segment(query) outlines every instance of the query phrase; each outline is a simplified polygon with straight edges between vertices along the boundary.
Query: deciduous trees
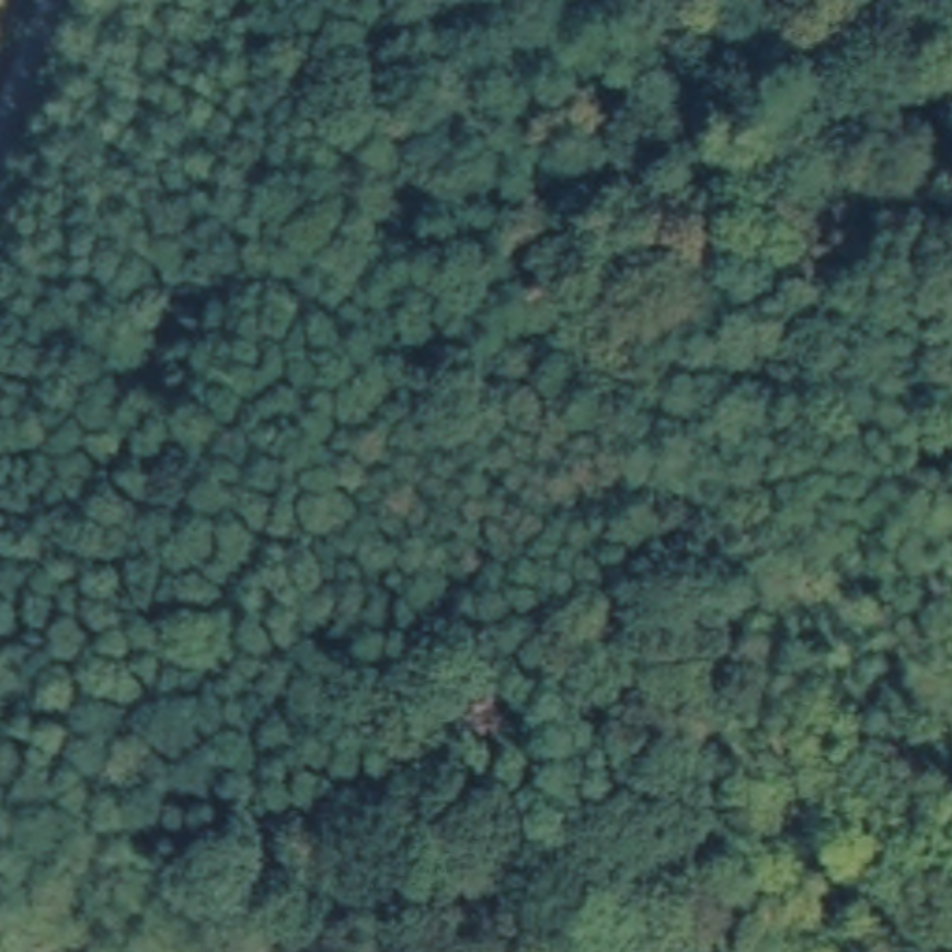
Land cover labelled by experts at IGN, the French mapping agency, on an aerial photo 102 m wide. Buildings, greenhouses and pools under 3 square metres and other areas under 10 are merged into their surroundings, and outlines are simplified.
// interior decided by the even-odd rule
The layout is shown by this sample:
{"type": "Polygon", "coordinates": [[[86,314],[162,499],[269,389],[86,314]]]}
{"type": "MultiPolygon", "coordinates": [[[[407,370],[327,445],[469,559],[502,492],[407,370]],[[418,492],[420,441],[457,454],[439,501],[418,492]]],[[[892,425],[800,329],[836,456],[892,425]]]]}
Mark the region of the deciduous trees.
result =
{"type": "Polygon", "coordinates": [[[952,952],[952,0],[78,0],[71,7],[67,26],[60,30],[60,48],[45,60],[45,67],[37,67],[37,89],[48,100],[48,108],[30,119],[30,134],[7,156],[7,167],[0,175],[0,907],[41,907],[45,919],[60,926],[60,933],[93,930],[108,952],[952,952]]]}

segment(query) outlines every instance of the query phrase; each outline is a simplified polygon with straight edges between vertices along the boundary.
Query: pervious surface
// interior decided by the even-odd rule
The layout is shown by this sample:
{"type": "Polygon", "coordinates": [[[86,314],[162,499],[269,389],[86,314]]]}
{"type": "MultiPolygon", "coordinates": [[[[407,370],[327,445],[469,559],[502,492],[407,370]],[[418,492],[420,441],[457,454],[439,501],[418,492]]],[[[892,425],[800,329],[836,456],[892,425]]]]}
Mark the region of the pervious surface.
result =
{"type": "Polygon", "coordinates": [[[78,0],[0,0],[0,175],[7,167],[7,156],[30,134],[30,119],[48,108],[48,100],[37,89],[37,67],[45,67],[45,60],[60,48],[60,30],[67,26],[71,7],[78,0]]]}

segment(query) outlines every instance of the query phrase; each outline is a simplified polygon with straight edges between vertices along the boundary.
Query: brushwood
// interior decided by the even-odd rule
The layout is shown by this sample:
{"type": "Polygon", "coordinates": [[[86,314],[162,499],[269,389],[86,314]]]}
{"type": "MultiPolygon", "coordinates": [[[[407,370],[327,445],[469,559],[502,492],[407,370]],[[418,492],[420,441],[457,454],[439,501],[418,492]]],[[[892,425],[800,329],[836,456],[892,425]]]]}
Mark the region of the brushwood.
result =
{"type": "Polygon", "coordinates": [[[108,952],[93,930],[60,933],[60,926],[45,919],[41,907],[0,907],[0,952],[108,952]]]}

